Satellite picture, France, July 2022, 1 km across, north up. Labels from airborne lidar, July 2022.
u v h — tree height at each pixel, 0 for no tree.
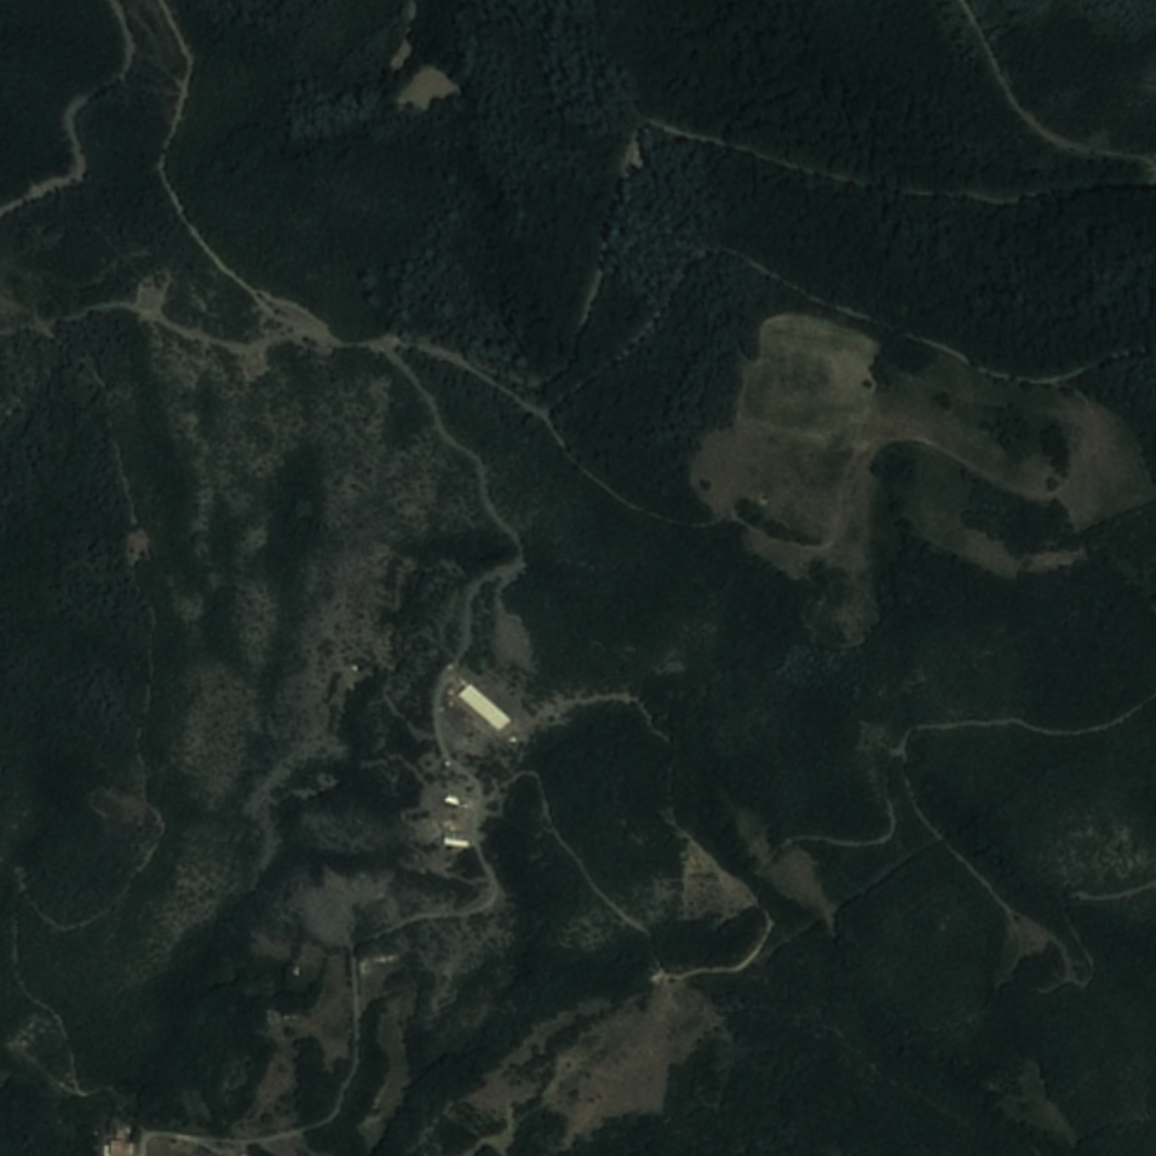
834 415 0
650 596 8
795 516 0
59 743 9
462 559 11
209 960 7
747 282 17
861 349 0
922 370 8
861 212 23
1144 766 11
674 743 9
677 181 26
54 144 8
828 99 17
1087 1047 9
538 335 19
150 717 6
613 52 10
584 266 11
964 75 15
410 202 8
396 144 13
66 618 10
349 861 6
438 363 14
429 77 0
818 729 8
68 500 8
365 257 7
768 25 10
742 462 0
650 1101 0
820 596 8
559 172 13
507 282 23
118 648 7
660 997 0
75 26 11
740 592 9
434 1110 6
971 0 12
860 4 13
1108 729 7
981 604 8
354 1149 12
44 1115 9
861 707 8
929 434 0
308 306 9
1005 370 10
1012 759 8
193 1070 6
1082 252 20
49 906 6
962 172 10
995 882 8
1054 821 6
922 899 6
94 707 8
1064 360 15
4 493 12
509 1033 6
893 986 7
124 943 5
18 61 11
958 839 9
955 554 7
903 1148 8
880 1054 7
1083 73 10
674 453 8
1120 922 8
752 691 6
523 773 7
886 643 11
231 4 21
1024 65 10
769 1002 6
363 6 9
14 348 9
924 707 6
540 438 7
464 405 9
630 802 7
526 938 16
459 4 23
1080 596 9
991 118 11
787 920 8
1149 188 8
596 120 22
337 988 0
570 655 8
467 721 0
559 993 7
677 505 8
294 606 7
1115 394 11
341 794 10
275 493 7
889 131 21
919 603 9
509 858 11
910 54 20
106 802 0
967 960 6
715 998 9
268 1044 8
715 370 16
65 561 12
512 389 7
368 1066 9
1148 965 8
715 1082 7
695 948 11
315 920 0
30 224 9
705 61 27
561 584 7
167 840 7
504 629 0
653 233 22
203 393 7
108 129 6
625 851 6
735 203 15
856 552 0
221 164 13
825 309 7
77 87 8
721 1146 9
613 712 9
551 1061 7
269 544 7
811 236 14
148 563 8
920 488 0
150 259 7
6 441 7
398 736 6
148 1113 6
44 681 7
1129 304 13
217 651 7
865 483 0
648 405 9
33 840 10
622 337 8
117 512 11
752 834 0
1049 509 6
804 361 0
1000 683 7
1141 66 6
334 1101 6
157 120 6
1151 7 10
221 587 8
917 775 9
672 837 7
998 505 9
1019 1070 8
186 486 7
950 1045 10
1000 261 9
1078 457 0
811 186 19
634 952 10
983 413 0
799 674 11
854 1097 8
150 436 9
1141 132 11
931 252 16
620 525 8
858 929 7
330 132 24
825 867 6
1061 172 17
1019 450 0
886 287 11
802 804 7
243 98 7
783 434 0
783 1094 9
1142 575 12
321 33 16
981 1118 7
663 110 17
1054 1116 0
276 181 9
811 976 8
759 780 6
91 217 7
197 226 13
